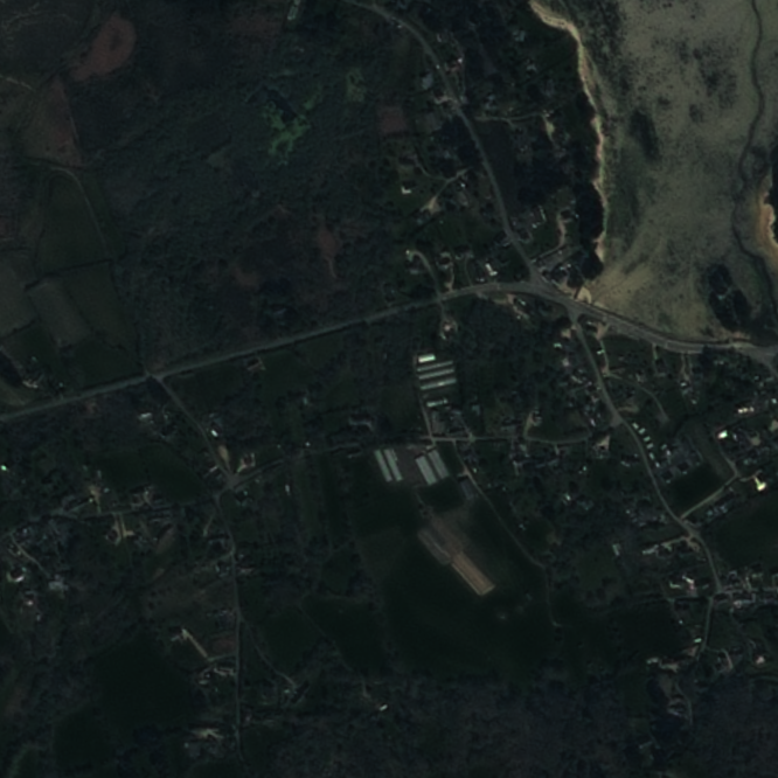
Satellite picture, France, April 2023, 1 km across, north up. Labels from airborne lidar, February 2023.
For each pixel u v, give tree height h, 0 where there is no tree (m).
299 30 9
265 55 7
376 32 8
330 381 12
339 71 6
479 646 0
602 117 0
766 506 0
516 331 11
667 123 0
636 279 0
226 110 7
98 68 0
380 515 0
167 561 0
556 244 0
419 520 0
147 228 6
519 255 0
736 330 9
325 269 11
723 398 9
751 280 0
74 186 0
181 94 9
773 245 0
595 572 0
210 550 8
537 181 20
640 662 0
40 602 11
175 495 0
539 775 15
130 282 15
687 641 12
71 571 10
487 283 0
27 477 8
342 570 0
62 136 0
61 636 8
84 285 0
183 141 7
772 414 9
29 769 0
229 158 0
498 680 18
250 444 11
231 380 0
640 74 0
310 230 12
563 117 0
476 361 19
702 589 0
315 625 0
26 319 0
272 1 0
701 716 12
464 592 0
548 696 22
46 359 0
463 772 10
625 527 17
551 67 0
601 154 0
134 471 0
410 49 0
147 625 9
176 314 16
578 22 0
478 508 0
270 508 12
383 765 12
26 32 0
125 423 16
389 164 9
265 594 11
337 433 6
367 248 7
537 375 8
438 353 13
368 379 8
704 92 0
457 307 0
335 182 9
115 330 0
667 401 0
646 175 0
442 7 15
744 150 0
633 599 15
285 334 8
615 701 16
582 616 0
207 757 9
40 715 13
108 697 0
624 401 0
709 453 0
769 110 0
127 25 0
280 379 0
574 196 9
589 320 0
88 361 0
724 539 0
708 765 12
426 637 0
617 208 0
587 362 9
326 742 14
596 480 0
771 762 9
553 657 0
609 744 8
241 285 0
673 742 21
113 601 6
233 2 9
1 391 0
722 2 0
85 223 0
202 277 11
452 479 0
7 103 0
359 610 0
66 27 0
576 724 22
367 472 0
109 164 5
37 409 0
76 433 7
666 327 0
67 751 0
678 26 0
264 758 0
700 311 0
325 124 6
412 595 0
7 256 0
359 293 11
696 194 0
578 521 13
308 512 0
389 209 12
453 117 0
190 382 0
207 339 12
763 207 0
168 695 0
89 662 6
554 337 13
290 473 11
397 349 8
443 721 14
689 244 0
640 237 0
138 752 6
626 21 0
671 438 8
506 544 0
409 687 17
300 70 7
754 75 0
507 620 0
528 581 0
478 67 16
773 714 12
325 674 10
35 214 0
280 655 0
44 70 0
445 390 0
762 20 0
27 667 0
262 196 8
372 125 7
